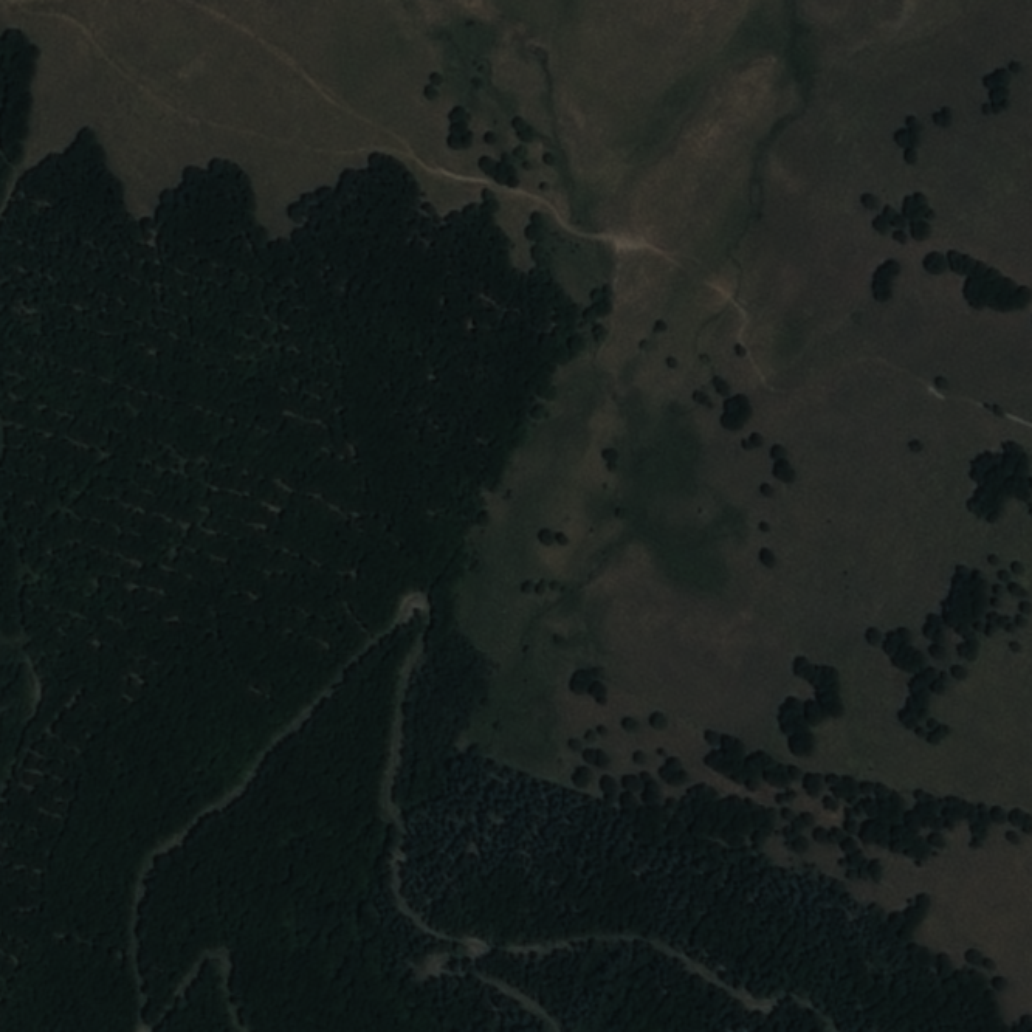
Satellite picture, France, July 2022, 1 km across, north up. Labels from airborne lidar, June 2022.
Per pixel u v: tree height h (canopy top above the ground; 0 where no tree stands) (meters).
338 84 0
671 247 0
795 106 0
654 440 0
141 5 0
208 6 0
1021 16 0
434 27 0
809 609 0
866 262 0
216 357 11
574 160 0
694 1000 15
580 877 12
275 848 14
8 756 11
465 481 14
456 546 12
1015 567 10
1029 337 0
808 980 16
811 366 0
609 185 0
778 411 0
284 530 12
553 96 0
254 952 13
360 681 10
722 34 0
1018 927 0
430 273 12
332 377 10
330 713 12
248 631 14
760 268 0
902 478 0
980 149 0
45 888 13
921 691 11
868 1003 14
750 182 0
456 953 13
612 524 0
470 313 14
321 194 14
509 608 0
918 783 0
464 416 12
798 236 0
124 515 9
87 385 9
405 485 13
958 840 0
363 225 13
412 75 0
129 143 0
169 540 10
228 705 13
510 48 0
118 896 14
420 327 12
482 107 0
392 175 13
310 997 15
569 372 0
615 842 18
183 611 12
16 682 10
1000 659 0
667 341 0
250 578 12
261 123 0
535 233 12
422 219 10
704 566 0
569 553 0
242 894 12
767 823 11
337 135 0
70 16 0
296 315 11
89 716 11
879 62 0
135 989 13
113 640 11
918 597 0
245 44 0
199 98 0
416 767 14
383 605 14
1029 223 0
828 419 0
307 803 14
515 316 13
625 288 0
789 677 0
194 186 15
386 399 13
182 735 11
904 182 0
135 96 0
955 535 0
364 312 13
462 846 15
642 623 0
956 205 0
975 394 0
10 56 9
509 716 0
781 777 13
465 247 15
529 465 0
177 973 12
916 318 0
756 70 0
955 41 0
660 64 0
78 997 11
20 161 10
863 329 0
